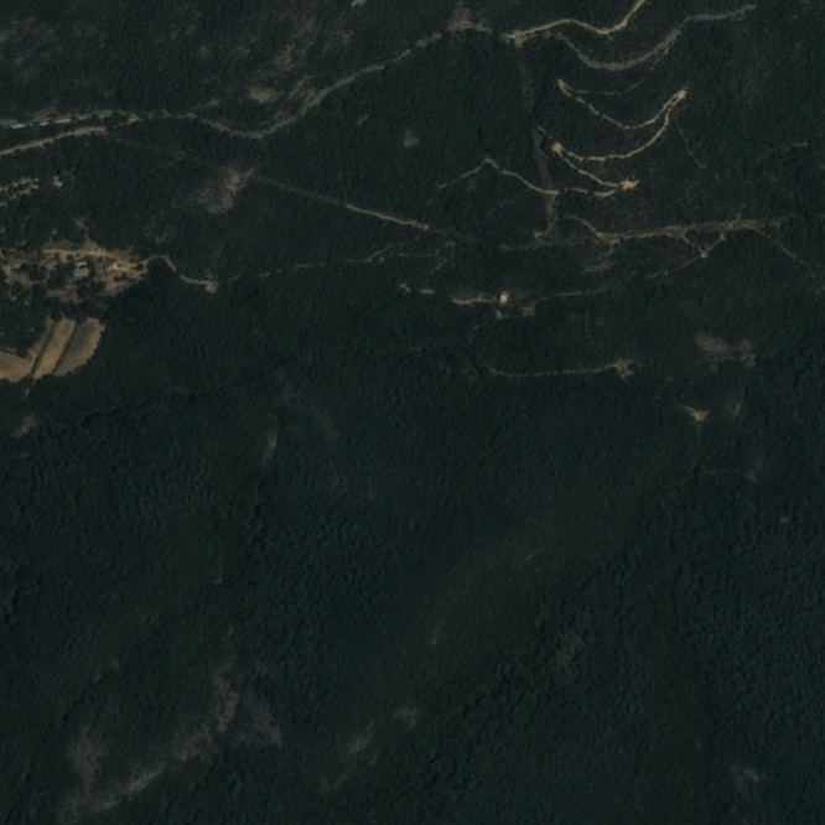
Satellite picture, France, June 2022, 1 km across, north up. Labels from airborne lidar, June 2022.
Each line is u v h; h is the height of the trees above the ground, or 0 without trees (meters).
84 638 7
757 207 8
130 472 8
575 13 7
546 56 9
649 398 11
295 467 6
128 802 7
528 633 14
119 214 10
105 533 14
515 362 12
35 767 15
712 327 7
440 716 13
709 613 11
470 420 8
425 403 10
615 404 8
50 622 12
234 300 13
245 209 8
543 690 6
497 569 8
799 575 12
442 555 10
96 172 10
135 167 9
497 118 10
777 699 11
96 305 20
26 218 12
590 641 18
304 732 8
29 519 15
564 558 10
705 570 13
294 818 8
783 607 10
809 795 6
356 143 12
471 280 6
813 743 6
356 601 11
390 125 16
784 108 16
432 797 12
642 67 9
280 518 13
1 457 8
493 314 8
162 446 8
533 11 8
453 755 19
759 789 6
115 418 15
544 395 9
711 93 7
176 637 8
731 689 11
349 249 10
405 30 7
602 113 9
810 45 9
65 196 17
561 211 7
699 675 8
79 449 14
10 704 11
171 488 16
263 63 7
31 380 12
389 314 12
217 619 13
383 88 15
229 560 12
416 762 11
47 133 11
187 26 10
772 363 7
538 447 9
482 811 7
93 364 11
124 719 7
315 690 14
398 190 11
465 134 8
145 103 16
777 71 10
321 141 10
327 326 7
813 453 6
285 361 15
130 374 7
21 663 9
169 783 8
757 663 13
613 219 6
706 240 10
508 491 6
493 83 8
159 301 10
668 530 12
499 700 14
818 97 12
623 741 5
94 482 10
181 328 11
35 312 16
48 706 10
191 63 10
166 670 11
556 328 7
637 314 8
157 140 8
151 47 7
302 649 15
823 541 13
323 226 11
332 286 12
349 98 8
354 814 9
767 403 6
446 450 9
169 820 19
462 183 6
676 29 9
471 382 14
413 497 6
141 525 7
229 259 6
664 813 9
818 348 15
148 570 11
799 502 17
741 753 8
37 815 6
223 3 8
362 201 10
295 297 11
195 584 13
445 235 9
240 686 6
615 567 12
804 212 14
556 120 8
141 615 11
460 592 7
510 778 9
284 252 8
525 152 10
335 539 14
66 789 10
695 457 8
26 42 10
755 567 15
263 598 12
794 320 11
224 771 10
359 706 7
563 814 9
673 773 16
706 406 8
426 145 12
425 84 8
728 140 11
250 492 8
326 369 9
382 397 6
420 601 7
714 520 11
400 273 10
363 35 6
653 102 10
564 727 9
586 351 8
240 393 8
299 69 9
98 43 7
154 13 10
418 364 11
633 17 6
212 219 9
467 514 9
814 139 11
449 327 6
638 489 9
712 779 9
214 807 6
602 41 8
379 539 13
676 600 16
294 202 14
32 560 15
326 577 11
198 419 11
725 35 12
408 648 6
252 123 6
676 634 10
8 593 15
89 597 13
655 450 5
